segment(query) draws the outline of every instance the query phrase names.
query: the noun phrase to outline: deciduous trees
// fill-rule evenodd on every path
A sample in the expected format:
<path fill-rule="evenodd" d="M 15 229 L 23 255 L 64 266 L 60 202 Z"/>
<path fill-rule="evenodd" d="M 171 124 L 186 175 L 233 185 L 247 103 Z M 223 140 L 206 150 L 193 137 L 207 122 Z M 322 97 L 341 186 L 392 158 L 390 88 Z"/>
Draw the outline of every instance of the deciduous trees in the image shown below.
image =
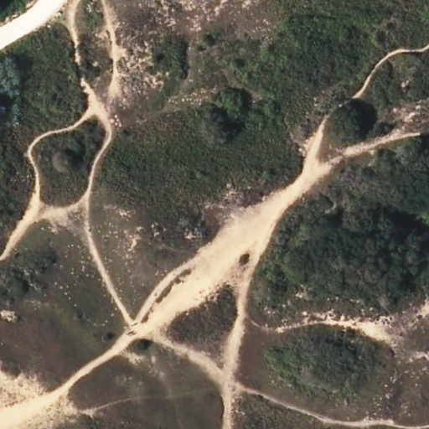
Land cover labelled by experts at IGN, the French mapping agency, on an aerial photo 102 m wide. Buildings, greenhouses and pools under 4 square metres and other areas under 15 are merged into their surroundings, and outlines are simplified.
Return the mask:
<path fill-rule="evenodd" d="M 214 126 L 226 132 L 226 142 L 235 141 L 245 129 L 246 116 L 250 114 L 251 107 L 250 92 L 230 85 L 225 89 L 226 94 L 240 97 L 240 109 L 228 112 L 225 107 L 213 106 L 209 114 Z"/>
<path fill-rule="evenodd" d="M 402 213 L 392 206 L 379 204 L 377 208 L 369 209 L 372 230 L 365 231 L 349 230 L 342 223 L 339 226 L 332 226 L 323 218 L 317 223 L 318 228 L 322 228 L 322 238 L 305 240 L 302 245 L 290 246 L 287 251 L 287 255 L 290 256 L 290 268 L 300 271 L 305 285 L 310 292 L 317 293 L 320 298 L 340 295 L 349 300 L 364 300 L 365 297 L 377 300 L 380 297 L 387 300 L 390 297 L 397 297 L 402 300 L 411 293 L 407 288 L 401 287 L 402 275 L 406 273 L 412 273 L 419 287 L 429 287 L 429 213 L 422 213 L 417 218 L 414 214 Z"/>

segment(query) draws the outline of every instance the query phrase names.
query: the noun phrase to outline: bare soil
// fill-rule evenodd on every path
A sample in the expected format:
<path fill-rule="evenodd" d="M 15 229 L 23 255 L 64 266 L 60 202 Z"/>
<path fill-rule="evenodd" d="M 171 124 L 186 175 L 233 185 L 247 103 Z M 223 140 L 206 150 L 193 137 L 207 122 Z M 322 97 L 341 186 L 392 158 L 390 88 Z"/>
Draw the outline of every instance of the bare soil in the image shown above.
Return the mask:
<path fill-rule="evenodd" d="M 184 270 L 159 293 L 156 302 L 163 302 L 176 285 L 183 283 L 184 278 L 191 275 L 191 271 Z"/>
<path fill-rule="evenodd" d="M 124 230 L 124 236 L 131 241 L 124 258 L 132 258 L 142 228 L 134 226 L 131 230 Z"/>
<path fill-rule="evenodd" d="M 96 37 L 104 27 L 104 12 L 99 0 L 80 0 L 75 13 L 75 25 L 79 34 L 82 60 L 77 64 L 75 75 L 80 79 L 89 82 L 96 96 L 109 89 L 111 84 L 111 40 Z"/>
<path fill-rule="evenodd" d="M 235 191 L 231 184 L 226 184 L 226 191 L 221 194 L 220 201 L 206 201 L 204 208 L 220 208 L 218 221 L 223 226 L 231 213 L 238 216 L 241 214 L 245 220 L 255 218 L 256 214 L 260 213 L 260 208 L 256 204 L 245 208 L 241 204 L 243 194 Z"/>
<path fill-rule="evenodd" d="M 401 340 L 394 349 L 397 365 L 407 364 L 412 350 L 404 340 Z"/>
<path fill-rule="evenodd" d="M 116 13 L 124 35 L 131 35 L 137 45 L 149 42 L 151 49 L 156 44 L 163 44 L 168 35 L 201 32 L 201 22 L 214 22 L 221 10 L 226 7 L 228 0 L 107 0 Z"/>

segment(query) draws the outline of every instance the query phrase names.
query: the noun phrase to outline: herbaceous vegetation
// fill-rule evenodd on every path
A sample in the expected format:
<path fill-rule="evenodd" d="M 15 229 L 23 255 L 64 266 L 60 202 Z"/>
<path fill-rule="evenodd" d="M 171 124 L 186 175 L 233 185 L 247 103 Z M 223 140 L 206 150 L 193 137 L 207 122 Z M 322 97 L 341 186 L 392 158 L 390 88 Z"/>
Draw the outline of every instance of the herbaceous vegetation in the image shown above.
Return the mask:
<path fill-rule="evenodd" d="M 0 370 L 13 377 L 22 374 L 25 377 L 37 377 L 39 384 L 47 392 L 52 392 L 59 389 L 70 375 L 82 369 L 85 364 L 89 364 L 90 360 L 97 359 L 99 355 L 111 349 L 124 332 L 126 323 L 102 282 L 101 273 L 90 256 L 87 243 L 80 236 L 72 235 L 72 231 L 67 230 L 65 226 L 57 233 L 52 233 L 50 221 L 35 221 L 28 226 L 28 230 L 18 240 L 7 260 L 0 263 Z"/>
<path fill-rule="evenodd" d="M 87 111 L 89 101 L 80 85 L 80 79 L 75 75 L 77 64 L 69 28 L 62 23 L 47 20 L 37 30 L 45 39 L 44 44 L 40 45 L 42 50 L 35 52 L 34 47 L 30 45 L 22 54 L 23 57 L 32 60 L 34 74 L 25 82 L 27 90 L 20 90 L 18 96 L 10 97 L 13 104 L 12 121 L 0 119 L 0 255 L 5 250 L 12 231 L 17 228 L 18 221 L 22 220 L 23 214 L 27 211 L 34 193 L 34 169 L 25 156 L 28 144 L 40 132 L 69 126 Z"/>
<path fill-rule="evenodd" d="M 208 354 L 209 359 L 220 369 L 225 367 L 223 352 L 236 320 L 235 292 L 230 285 L 223 285 L 218 292 L 211 293 L 208 300 L 204 300 L 199 307 L 189 308 L 176 315 L 166 328 L 166 337 L 173 342 L 188 345 L 191 349 Z"/>
<path fill-rule="evenodd" d="M 211 34 L 216 27 L 223 28 L 233 23 L 236 25 L 236 39 L 241 40 L 243 35 L 250 34 L 251 39 L 260 40 L 261 49 L 268 49 L 268 45 L 277 39 L 278 32 L 282 32 L 283 23 L 288 22 L 285 7 L 290 0 L 228 0 L 226 7 L 221 10 L 214 22 L 201 22 L 201 32 L 203 35 Z"/>
<path fill-rule="evenodd" d="M 417 323 L 414 330 L 407 332 L 407 339 L 404 340 L 412 350 L 407 364 L 397 365 L 394 349 L 385 344 L 379 352 L 385 362 L 385 369 L 375 367 L 374 374 L 370 374 L 362 382 L 362 389 L 357 392 L 349 384 L 337 389 L 333 385 L 320 382 L 312 375 L 318 352 L 307 335 L 307 327 L 293 328 L 283 333 L 265 333 L 255 327 L 248 330 L 245 328 L 238 350 L 238 369 L 235 372 L 235 379 L 240 384 L 251 389 L 265 390 L 266 394 L 285 399 L 295 406 L 305 407 L 332 419 L 392 419 L 407 426 L 429 424 L 429 315 Z"/>
<path fill-rule="evenodd" d="M 50 142 L 45 139 L 34 149 L 35 161 L 39 163 L 40 168 L 42 203 L 60 208 L 79 201 L 87 188 L 89 173 L 82 166 L 79 169 L 70 168 L 67 158 L 60 158 L 60 154 L 52 149 Z"/>
<path fill-rule="evenodd" d="M 344 89 L 340 89 L 339 85 L 333 84 L 328 89 L 320 90 L 320 96 L 313 97 L 312 109 L 305 112 L 303 121 L 298 124 L 298 127 L 302 127 L 303 134 L 308 137 L 312 137 L 313 132 L 317 131 L 323 116 L 330 117 L 339 107 L 349 106 L 355 99 L 355 92 L 360 87 L 354 84 L 345 85 Z"/>
<path fill-rule="evenodd" d="M 285 302 L 271 305 L 271 288 L 268 287 L 268 283 L 275 282 L 275 265 L 282 266 L 283 261 L 280 256 L 282 245 L 278 243 L 278 236 L 273 233 L 270 243 L 256 265 L 246 295 L 246 313 L 256 322 L 265 323 L 270 327 L 280 327 L 283 318 L 292 318 L 293 322 L 297 322 L 302 320 L 302 312 L 328 310 L 335 313 L 335 318 L 360 318 L 362 322 L 374 322 L 382 315 L 407 310 L 409 303 L 421 308 L 424 303 L 429 302 L 429 287 L 419 287 L 412 273 L 406 273 L 402 275 L 401 287 L 407 288 L 411 293 L 402 300 L 397 297 L 390 297 L 387 300 L 380 297 L 377 300 L 365 297 L 364 300 L 349 300 L 340 295 L 320 298 L 317 293 L 310 292 L 305 285 L 300 285 L 298 293 L 290 293 Z"/>
<path fill-rule="evenodd" d="M 387 136 L 395 129 L 394 122 L 379 122 L 377 119 L 369 134 L 372 139 Z"/>
<path fill-rule="evenodd" d="M 131 241 L 124 236 L 124 230 L 131 230 L 134 226 L 131 218 L 127 216 L 129 211 L 117 204 L 109 204 L 106 184 L 97 183 L 96 179 L 90 196 L 90 231 L 96 241 L 102 263 L 111 277 L 112 285 L 132 318 L 137 317 L 147 297 L 169 271 L 196 256 L 199 248 L 211 243 L 223 226 L 218 221 L 220 208 L 204 208 L 196 228 L 191 233 L 186 233 L 188 241 L 184 243 L 183 248 L 163 243 L 159 236 L 158 223 L 151 223 L 142 228 L 132 258 L 124 258 Z"/>
<path fill-rule="evenodd" d="M 149 350 L 147 350 L 147 352 L 144 352 L 144 354 L 134 354 L 134 352 L 131 352 L 131 350 L 127 349 L 127 347 L 121 354 L 77 380 L 74 387 L 69 390 L 69 401 L 75 407 L 96 409 L 96 416 L 79 416 L 87 429 L 221 429 L 225 404 L 220 385 L 209 377 L 203 367 L 191 362 L 188 357 L 152 342 L 151 347 L 149 347 Z"/>
<path fill-rule="evenodd" d="M 158 119 L 166 112 L 186 111 L 188 106 L 201 106 L 218 92 L 218 87 L 208 87 L 188 94 L 193 77 L 188 75 L 164 107 L 154 109 L 152 99 L 158 96 L 163 85 L 152 89 L 147 96 L 132 96 L 129 106 L 122 106 L 121 102 L 114 99 L 112 109 L 121 119 L 121 129 L 134 129 Z"/>
<path fill-rule="evenodd" d="M 233 429 L 357 429 L 325 426 L 313 417 L 271 404 L 261 395 L 240 394 L 233 404 Z"/>

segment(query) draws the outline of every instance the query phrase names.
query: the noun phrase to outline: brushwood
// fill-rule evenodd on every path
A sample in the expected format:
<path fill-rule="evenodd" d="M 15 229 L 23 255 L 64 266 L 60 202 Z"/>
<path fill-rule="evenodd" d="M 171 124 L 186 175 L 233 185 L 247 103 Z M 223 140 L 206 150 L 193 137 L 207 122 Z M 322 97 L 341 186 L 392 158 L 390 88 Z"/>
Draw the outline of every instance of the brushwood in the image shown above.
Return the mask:
<path fill-rule="evenodd" d="M 417 104 L 421 99 L 429 97 L 429 50 L 394 55 L 372 77 L 364 96 L 355 99 L 349 106 L 339 107 L 330 117 L 323 132 L 323 137 L 328 142 L 333 142 L 339 147 L 349 147 L 372 139 L 369 134 L 377 119 L 377 114 L 384 111 L 385 107 L 404 107 L 406 104 Z"/>
<path fill-rule="evenodd" d="M 287 251 L 290 246 L 302 245 L 305 240 L 322 238 L 322 228 L 318 228 L 317 223 L 323 218 L 332 226 L 339 226 L 342 223 L 349 230 L 365 231 L 372 230 L 369 209 L 377 208 L 379 204 L 392 206 L 402 213 L 414 214 L 417 218 L 422 213 L 429 213 L 429 134 L 397 139 L 379 147 L 375 154 L 362 152 L 340 161 L 337 166 L 330 169 L 330 173 L 318 179 L 307 193 L 303 193 L 295 203 L 285 209 L 273 233 L 278 236 L 278 243 L 282 245 L 280 256 L 283 261 L 282 266 L 275 265 L 275 282 L 268 283 L 268 287 L 271 288 L 271 305 L 285 302 L 290 293 L 298 293 L 300 285 L 305 285 L 300 271 L 290 268 L 290 256 L 287 255 Z"/>
<path fill-rule="evenodd" d="M 372 339 L 354 328 L 335 327 L 325 323 L 307 327 L 307 335 L 318 352 L 312 375 L 320 382 L 333 385 L 337 389 L 349 384 L 357 392 L 362 389 L 362 382 L 370 374 L 374 374 L 375 367 L 385 369 L 385 362 L 379 352 L 385 344 L 382 340 Z"/>
<path fill-rule="evenodd" d="M 151 49 L 152 65 L 146 69 L 149 74 L 168 70 L 169 79 L 164 80 L 163 85 L 158 96 L 152 99 L 154 109 L 164 107 L 188 75 L 193 77 L 188 94 L 208 87 L 218 87 L 218 92 L 201 106 L 188 106 L 186 111 L 166 112 L 158 119 L 134 129 L 121 129 L 114 132 L 111 146 L 102 158 L 96 179 L 97 183 L 106 184 L 109 204 L 117 204 L 129 211 L 127 216 L 131 218 L 134 226 L 142 228 L 151 223 L 158 223 L 159 236 L 163 243 L 183 248 L 184 243 L 188 241 L 186 233 L 191 233 L 196 228 L 204 208 L 206 201 L 220 201 L 221 194 L 226 191 L 226 184 L 231 184 L 235 191 L 243 194 L 241 204 L 245 208 L 256 204 L 261 203 L 265 196 L 287 188 L 302 174 L 305 158 L 300 152 L 300 147 L 305 146 L 308 137 L 303 134 L 302 127 L 298 127 L 298 124 L 303 121 L 305 112 L 312 109 L 313 97 L 320 96 L 320 90 L 328 89 L 333 84 L 339 85 L 340 89 L 344 89 L 345 85 L 354 84 L 360 87 L 382 55 L 401 47 L 422 47 L 429 42 L 429 0 L 290 0 L 285 7 L 288 22 L 283 23 L 282 32 L 278 32 L 277 39 L 268 45 L 268 49 L 261 49 L 260 40 L 251 39 L 250 34 L 243 35 L 241 40 L 236 39 L 236 25 L 233 23 L 223 28 L 216 27 L 211 34 L 203 35 L 201 32 L 168 35 L 163 44 L 156 44 Z M 240 97 L 226 94 L 225 89 L 230 85 L 250 92 L 251 107 L 250 114 L 246 116 L 245 129 L 235 141 L 226 142 L 226 132 L 214 126 L 209 114 L 213 106 L 225 107 L 228 112 L 240 109 Z"/>
<path fill-rule="evenodd" d="M 127 345 L 127 347 L 127 349 L 131 350 L 131 352 L 134 352 L 134 354 L 144 354 L 144 352 L 147 352 L 147 350 L 149 350 L 149 347 L 151 347 L 152 342 L 152 340 L 139 339 L 134 340 L 134 342 L 131 342 L 131 344 Z"/>
<path fill-rule="evenodd" d="M 45 139 L 50 142 L 52 149 L 60 154 L 60 158 L 67 158 L 70 168 L 79 169 L 82 166 L 89 173 L 92 161 L 106 137 L 106 129 L 99 119 L 92 117 L 75 131 L 54 134 Z"/>
<path fill-rule="evenodd" d="M 0 50 L 0 119 L 12 121 L 13 104 L 10 97 L 18 96 L 20 90 L 27 90 L 25 82 L 34 74 L 32 60 L 23 57 L 22 54 L 30 45 L 34 47 L 35 52 L 42 50 L 40 45 L 44 44 L 45 39 L 37 30 L 23 35 Z"/>
<path fill-rule="evenodd" d="M 5 23 L 7 18 L 13 20 L 15 15 L 27 12 L 27 3 L 35 0 L 0 0 L 0 25 Z"/>

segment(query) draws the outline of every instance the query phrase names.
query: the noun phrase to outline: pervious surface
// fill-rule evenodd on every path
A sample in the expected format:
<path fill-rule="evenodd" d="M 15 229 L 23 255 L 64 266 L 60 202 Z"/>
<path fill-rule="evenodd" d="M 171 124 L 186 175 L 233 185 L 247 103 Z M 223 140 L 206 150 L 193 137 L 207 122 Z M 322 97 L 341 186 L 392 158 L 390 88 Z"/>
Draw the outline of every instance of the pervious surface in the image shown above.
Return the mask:
<path fill-rule="evenodd" d="M 97 359 L 90 360 L 89 364 L 85 364 L 82 369 L 70 375 L 59 389 L 52 392 L 47 392 L 39 384 L 37 377 L 25 377 L 22 374 L 13 377 L 0 370 L 0 429 L 87 429 L 79 416 L 96 416 L 96 409 L 75 407 L 69 401 L 69 390 L 74 387 L 77 380 L 121 354 L 127 347 L 127 345 L 131 344 L 131 342 L 134 342 L 134 340 L 139 339 L 152 340 L 152 342 L 188 357 L 191 362 L 203 367 L 209 377 L 220 385 L 225 404 L 221 429 L 233 429 L 233 404 L 240 394 L 261 395 L 271 404 L 313 417 L 325 426 L 357 429 L 429 429 L 429 424 L 407 426 L 392 419 L 332 419 L 305 407 L 295 406 L 285 399 L 266 394 L 265 390 L 251 389 L 240 384 L 235 379 L 235 372 L 238 369 L 238 350 L 245 328 L 248 330 L 255 327 L 265 333 L 283 333 L 293 328 L 307 327 L 325 323 L 335 327 L 354 328 L 372 339 L 382 340 L 385 344 L 394 349 L 401 340 L 404 340 L 407 339 L 407 332 L 414 330 L 417 323 L 429 315 L 429 302 L 424 303 L 421 308 L 409 303 L 407 310 L 382 315 L 374 322 L 362 322 L 360 318 L 335 318 L 335 313 L 328 310 L 302 312 L 302 320 L 297 322 L 293 322 L 292 318 L 283 318 L 280 327 L 270 327 L 265 323 L 256 322 L 246 313 L 246 295 L 256 265 L 270 243 L 273 233 L 285 209 L 295 203 L 303 193 L 307 193 L 318 179 L 330 173 L 330 169 L 337 166 L 340 161 L 362 152 L 375 154 L 379 147 L 397 139 L 429 134 L 429 97 L 421 99 L 417 104 L 406 104 L 404 107 L 385 107 L 384 111 L 377 114 L 377 119 L 379 122 L 394 122 L 395 129 L 387 136 L 372 139 L 349 147 L 339 147 L 333 142 L 328 142 L 323 137 L 323 132 L 330 117 L 323 116 L 317 131 L 313 132 L 312 137 L 308 137 L 305 146 L 300 147 L 300 152 L 305 158 L 302 174 L 287 188 L 265 196 L 261 203 L 256 204 L 260 208 L 260 213 L 256 214 L 255 218 L 245 220 L 241 214 L 238 216 L 231 213 L 223 226 L 211 243 L 199 248 L 196 256 L 169 271 L 147 297 L 137 317 L 132 318 L 112 285 L 111 277 L 102 263 L 96 241 L 90 231 L 90 196 L 96 179 L 102 158 L 111 146 L 114 132 L 121 129 L 121 119 L 112 109 L 114 99 L 121 102 L 122 106 L 129 106 L 132 96 L 147 96 L 152 89 L 163 85 L 164 80 L 169 79 L 168 70 L 149 74 L 146 69 L 152 65 L 151 49 L 149 42 L 137 45 L 131 35 L 124 35 L 116 13 L 107 0 L 99 0 L 104 12 L 104 27 L 96 37 L 111 40 L 111 84 L 109 89 L 96 96 L 89 82 L 80 79 L 80 85 L 89 101 L 87 111 L 69 126 L 40 132 L 28 144 L 25 156 L 34 169 L 34 193 L 27 211 L 23 214 L 22 220 L 18 221 L 17 228 L 12 231 L 5 250 L 0 255 L 0 263 L 7 260 L 18 240 L 28 230 L 28 226 L 35 221 L 50 221 L 52 233 L 57 233 L 65 226 L 67 230 L 72 231 L 72 235 L 80 236 L 87 243 L 90 256 L 101 273 L 102 282 L 126 323 L 124 332 L 111 349 L 99 355 Z M 35 161 L 34 149 L 45 139 L 54 134 L 75 131 L 92 117 L 99 119 L 106 129 L 106 137 L 92 161 L 89 173 L 87 188 L 79 201 L 60 208 L 42 203 L 40 168 L 39 163 Z M 183 283 L 176 285 L 163 302 L 156 302 L 159 293 L 184 270 L 191 271 L 191 275 L 184 278 Z M 225 367 L 220 369 L 209 359 L 208 354 L 191 349 L 188 345 L 173 342 L 166 337 L 166 328 L 176 315 L 189 308 L 199 307 L 204 300 L 208 300 L 211 293 L 218 292 L 223 285 L 230 285 L 235 292 L 236 320 L 223 352 Z"/>
<path fill-rule="evenodd" d="M 79 34 L 75 25 L 75 13 L 80 0 L 35 0 L 27 3 L 27 12 L 15 15 L 13 20 L 7 18 L 5 23 L 0 25 L 0 50 L 23 35 L 37 30 L 47 20 L 62 23 L 69 28 L 77 64 L 82 60 Z"/>
<path fill-rule="evenodd" d="M 382 55 L 360 87 L 355 92 L 355 99 L 364 96 L 372 77 L 394 55 L 429 50 L 429 42 L 422 47 L 401 47 Z"/>

